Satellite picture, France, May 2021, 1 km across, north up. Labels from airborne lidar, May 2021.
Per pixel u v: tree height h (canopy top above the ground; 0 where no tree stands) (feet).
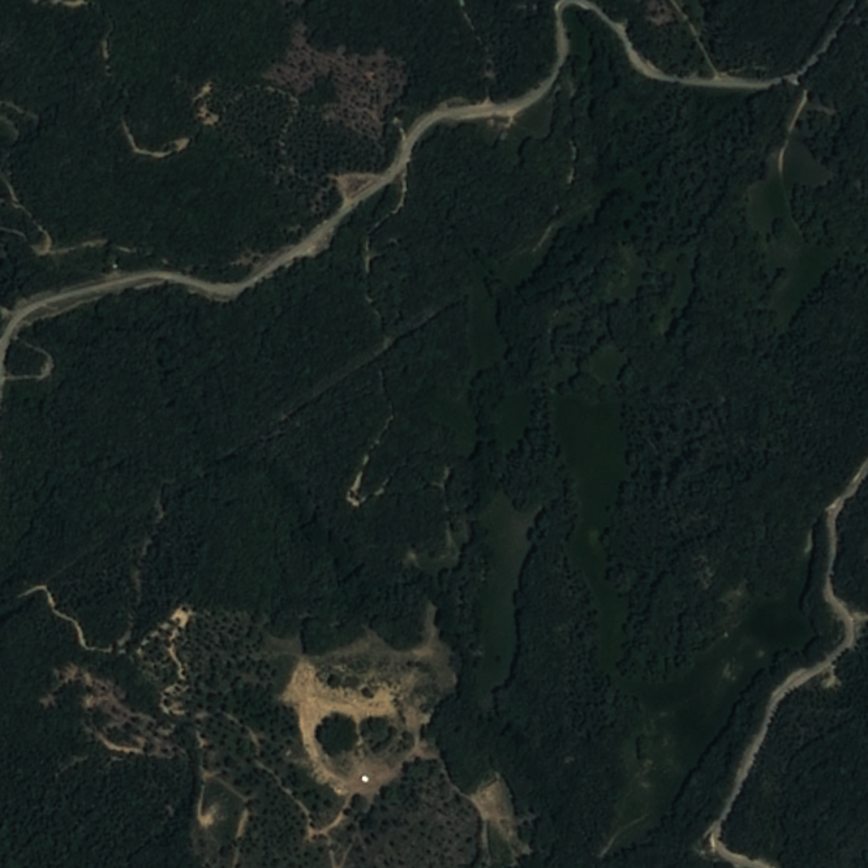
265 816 37
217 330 37
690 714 0
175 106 34
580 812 44
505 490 37
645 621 37
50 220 29
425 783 45
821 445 28
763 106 41
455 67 27
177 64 34
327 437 52
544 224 38
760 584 49
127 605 30
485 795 0
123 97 36
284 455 56
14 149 29
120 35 24
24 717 59
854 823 28
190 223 36
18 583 49
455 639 40
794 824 31
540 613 56
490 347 0
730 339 44
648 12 20
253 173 47
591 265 52
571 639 40
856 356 35
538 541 54
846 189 38
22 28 30
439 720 58
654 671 46
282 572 38
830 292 41
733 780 39
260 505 37
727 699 0
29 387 32
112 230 44
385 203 49
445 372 52
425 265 45
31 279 36
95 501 44
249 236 40
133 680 40
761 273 24
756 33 21
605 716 38
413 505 41
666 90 41
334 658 0
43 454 36
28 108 35
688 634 46
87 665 44
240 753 33
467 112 0
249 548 44
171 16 38
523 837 45
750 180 30
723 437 44
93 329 74
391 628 48
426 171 46
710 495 18
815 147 48
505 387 65
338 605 44
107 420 29
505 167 49
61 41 31
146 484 58
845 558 40
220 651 54
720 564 21
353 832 52
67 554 31
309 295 49
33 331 55
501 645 0
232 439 32
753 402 18
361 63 38
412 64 36
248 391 40
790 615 0
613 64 48
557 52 31
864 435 31
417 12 29
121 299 44
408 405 51
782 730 24
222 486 45
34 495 33
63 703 53
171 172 34
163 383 57
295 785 52
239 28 45
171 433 38
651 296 51
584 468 0
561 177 43
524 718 39
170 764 29
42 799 40
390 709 0
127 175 36
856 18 50
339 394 34
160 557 45
